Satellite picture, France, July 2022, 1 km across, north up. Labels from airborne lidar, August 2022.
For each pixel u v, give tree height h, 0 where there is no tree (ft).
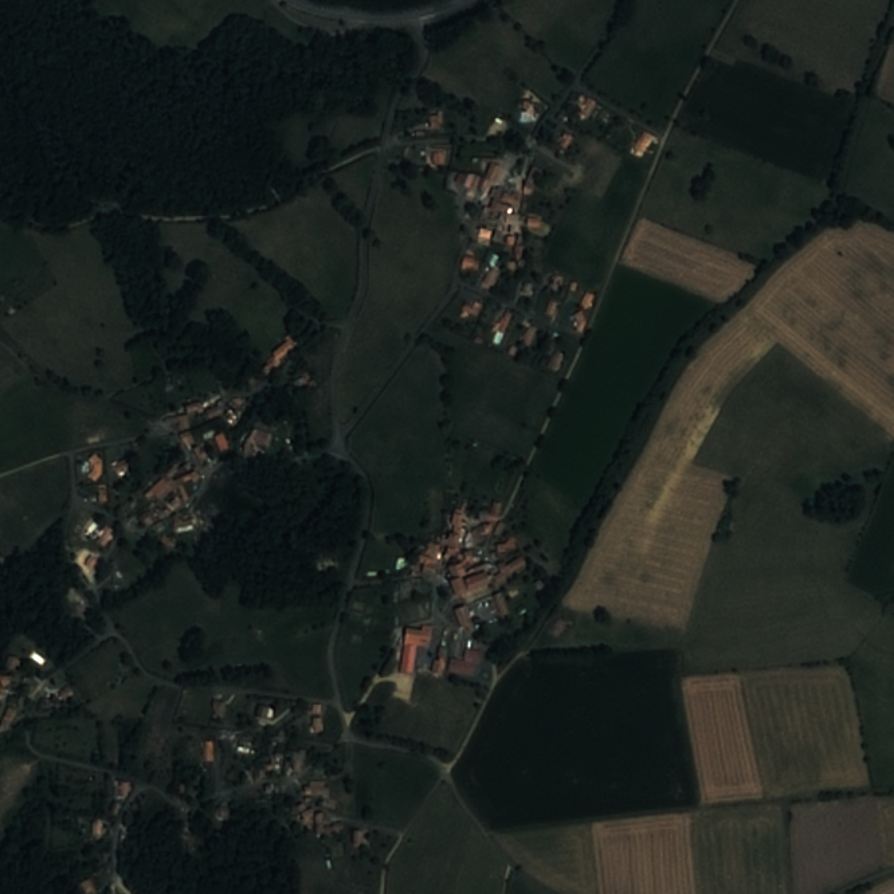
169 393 0
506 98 0
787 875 0
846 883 0
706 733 0
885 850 0
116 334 0
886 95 0
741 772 0
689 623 0
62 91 55
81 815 22
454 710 0
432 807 0
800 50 0
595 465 0
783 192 0
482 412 0
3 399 0
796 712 0
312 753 21
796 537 0
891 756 0
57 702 31
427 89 63
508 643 65
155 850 49
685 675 0
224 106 86
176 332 57
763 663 0
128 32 49
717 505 0
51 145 77
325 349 0
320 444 40
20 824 21
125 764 45
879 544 0
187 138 66
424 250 0
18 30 56
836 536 0
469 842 0
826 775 0
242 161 68
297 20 0
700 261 0
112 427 0
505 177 0
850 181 0
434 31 71
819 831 0
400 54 61
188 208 39
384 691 0
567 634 0
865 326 0
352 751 0
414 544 34
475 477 0
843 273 0
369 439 0
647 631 0
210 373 56
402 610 0
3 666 40
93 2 38
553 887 0
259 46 50
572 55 0
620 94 0
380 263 0
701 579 0
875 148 0
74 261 0
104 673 0
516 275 25
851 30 0
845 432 0
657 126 19
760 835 0
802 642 0
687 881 0
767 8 0
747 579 0
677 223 0
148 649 0
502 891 0
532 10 0
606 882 0
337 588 58
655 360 0
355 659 0
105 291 0
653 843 0
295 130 0
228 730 0
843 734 0
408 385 0
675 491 0
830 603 0
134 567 0
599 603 0
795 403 0
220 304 0
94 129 64
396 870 0
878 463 0
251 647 0
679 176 0
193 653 61
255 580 59
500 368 0
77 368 0
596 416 0
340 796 0
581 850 0
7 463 0
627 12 56
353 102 54
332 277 0
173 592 0
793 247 39
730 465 0
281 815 30
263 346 0
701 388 0
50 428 0
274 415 23
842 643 0
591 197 0
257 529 89
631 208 0
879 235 0
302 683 0
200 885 44
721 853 0
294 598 64
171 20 0
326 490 20
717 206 0
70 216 48
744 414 0
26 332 0
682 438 0
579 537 35
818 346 0
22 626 52
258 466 51
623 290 0
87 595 35
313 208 0
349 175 0
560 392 28
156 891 55
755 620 0
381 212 0
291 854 43
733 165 0
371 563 0
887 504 0
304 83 72
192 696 0
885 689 0
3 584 61
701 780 0
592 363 0
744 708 0
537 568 21
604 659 44
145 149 64
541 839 0
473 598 0
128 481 30
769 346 0
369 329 0
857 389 0
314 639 0
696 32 0
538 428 0
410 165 60
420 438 0
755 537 0
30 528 0
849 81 0
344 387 0
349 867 0
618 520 0
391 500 0
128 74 75
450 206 0
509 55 0
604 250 0
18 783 0
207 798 37
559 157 29
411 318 0
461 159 29
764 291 0
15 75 83
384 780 0
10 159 70
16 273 0
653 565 0
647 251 0
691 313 0
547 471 0
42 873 51
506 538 21
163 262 39
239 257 46
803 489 0
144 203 49
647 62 0
